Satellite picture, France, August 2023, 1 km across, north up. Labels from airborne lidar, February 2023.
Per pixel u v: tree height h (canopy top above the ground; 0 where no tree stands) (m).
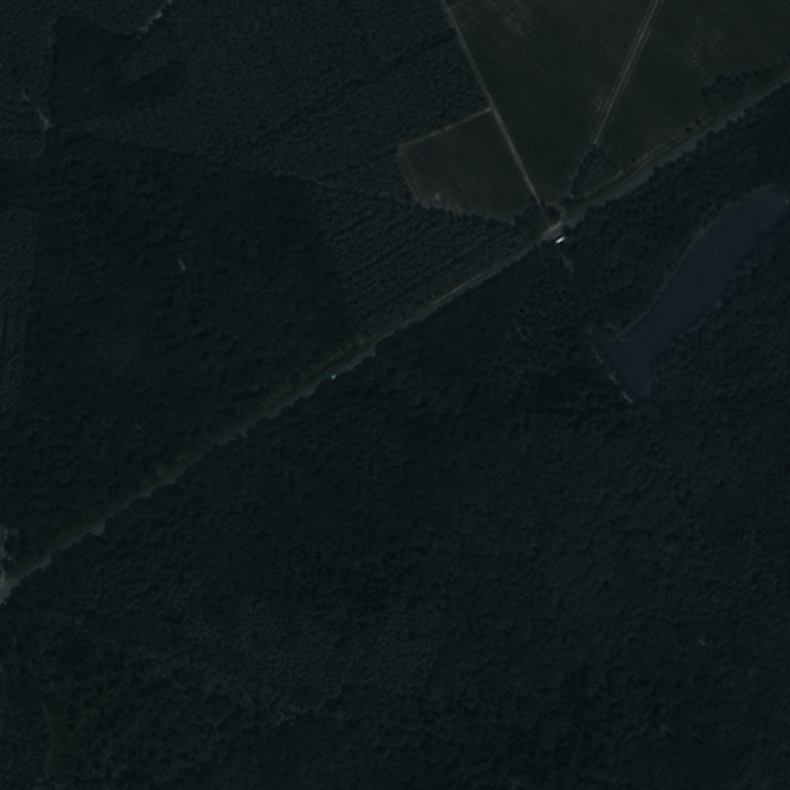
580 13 0
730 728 20
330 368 0
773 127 18
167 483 0
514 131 0
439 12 17
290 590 22
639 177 0
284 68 16
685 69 0
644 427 19
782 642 27
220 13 13
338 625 14
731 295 11
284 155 16
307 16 17
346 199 18
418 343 18
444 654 27
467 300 12
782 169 17
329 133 17
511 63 0
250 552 22
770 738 18
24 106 20
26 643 21
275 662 23
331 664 22
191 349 20
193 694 17
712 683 20
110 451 23
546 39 0
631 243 14
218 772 24
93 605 19
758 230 0
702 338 14
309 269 21
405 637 23
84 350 17
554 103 0
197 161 18
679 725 26
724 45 0
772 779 20
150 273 21
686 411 19
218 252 21
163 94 19
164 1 15
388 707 22
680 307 0
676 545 20
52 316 19
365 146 16
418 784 22
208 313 20
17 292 17
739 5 0
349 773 20
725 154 18
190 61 18
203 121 17
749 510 18
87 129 20
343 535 15
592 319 15
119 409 17
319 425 19
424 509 21
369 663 20
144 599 24
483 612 20
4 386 21
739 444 21
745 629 25
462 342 16
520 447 27
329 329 21
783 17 0
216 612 22
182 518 20
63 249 18
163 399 21
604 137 0
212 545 21
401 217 20
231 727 20
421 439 20
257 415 21
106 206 17
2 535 0
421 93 18
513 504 20
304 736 22
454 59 17
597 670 23
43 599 13
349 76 19
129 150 17
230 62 16
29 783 16
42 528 22
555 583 21
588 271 15
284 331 18
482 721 16
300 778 22
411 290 17
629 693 25
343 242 23
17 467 24
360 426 27
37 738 14
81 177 20
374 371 27
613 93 0
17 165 22
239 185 17
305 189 16
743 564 22
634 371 0
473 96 16
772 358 16
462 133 0
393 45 15
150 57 19
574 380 9
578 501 22
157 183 22
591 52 0
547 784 20
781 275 21
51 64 15
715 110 16
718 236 0
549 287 17
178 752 13
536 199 9
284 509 24
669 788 21
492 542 27
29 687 19
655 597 20
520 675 16
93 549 21
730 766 20
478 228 21
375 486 16
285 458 21
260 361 7
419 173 0
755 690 19
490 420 24
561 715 19
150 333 17
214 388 22
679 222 13
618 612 20
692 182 13
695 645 25
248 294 20
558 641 20
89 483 21
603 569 23
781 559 22
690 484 22
